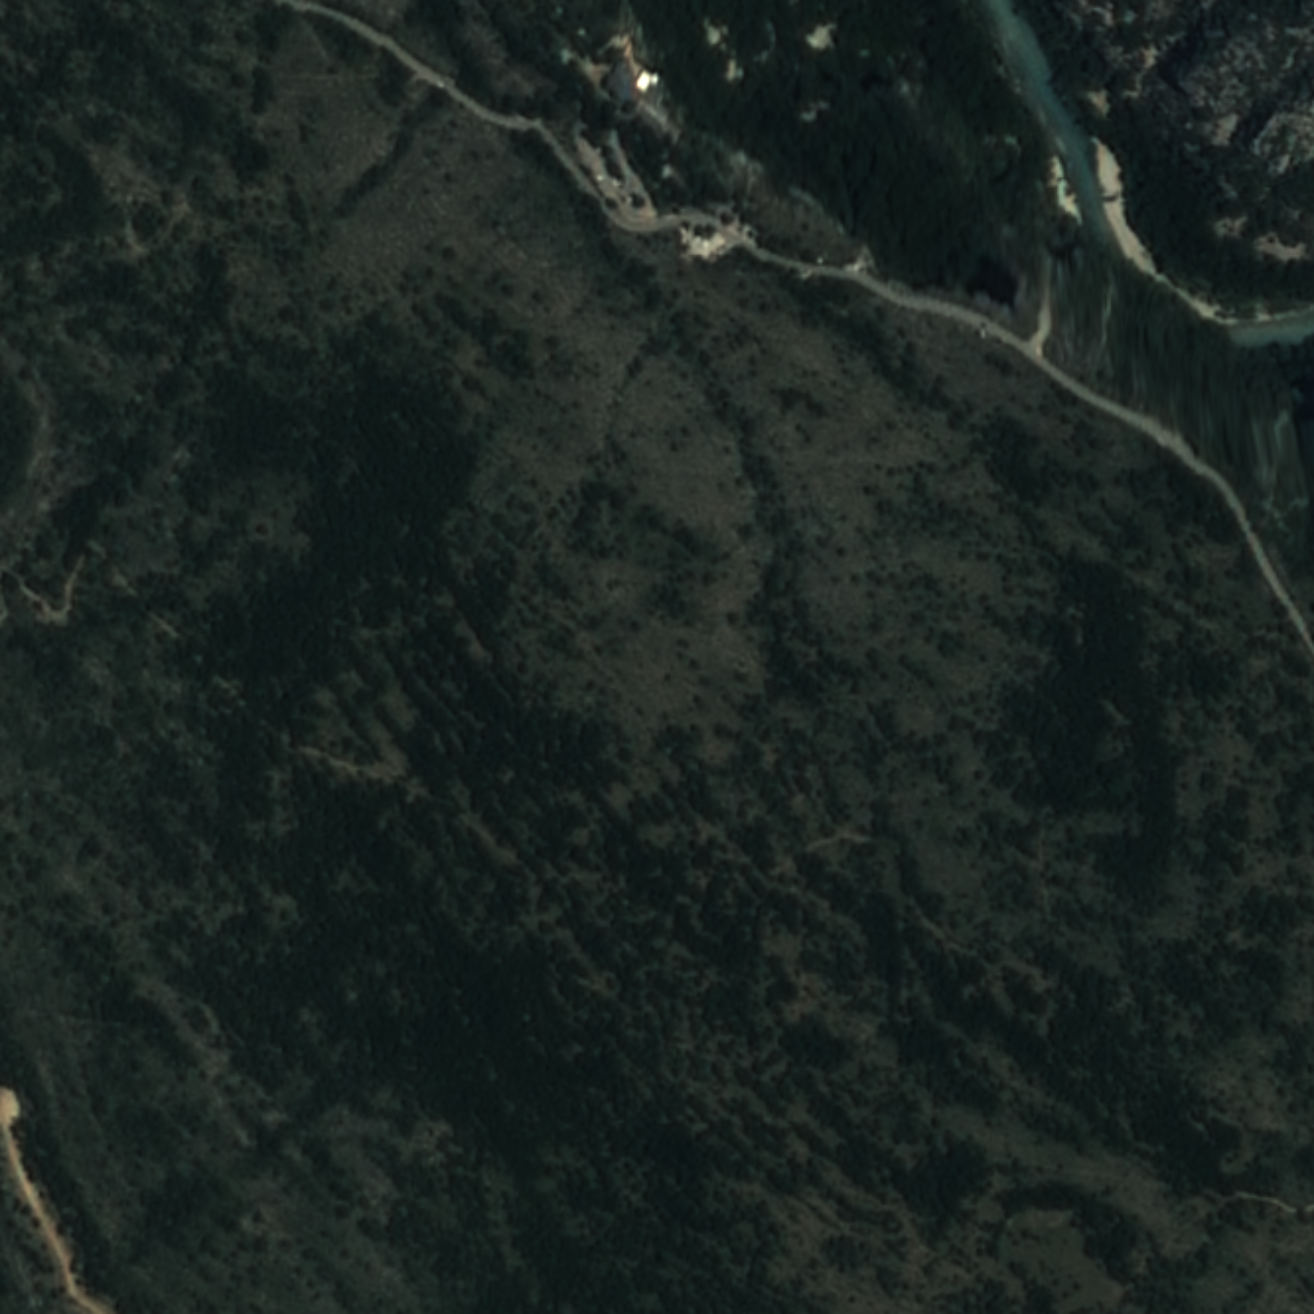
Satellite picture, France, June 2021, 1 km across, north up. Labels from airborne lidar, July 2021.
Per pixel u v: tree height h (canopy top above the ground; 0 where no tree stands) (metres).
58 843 7
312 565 9
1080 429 7
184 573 7
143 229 8
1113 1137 10
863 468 0
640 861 10
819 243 0
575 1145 8
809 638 6
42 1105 6
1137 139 21
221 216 6
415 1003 7
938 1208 8
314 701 7
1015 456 7
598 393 0
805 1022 7
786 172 10
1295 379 25
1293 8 7
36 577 6
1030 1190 10
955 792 8
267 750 8
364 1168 0
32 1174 9
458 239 0
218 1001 9
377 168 9
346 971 7
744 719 6
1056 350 0
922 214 25
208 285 6
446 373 6
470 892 6
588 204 9
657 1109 10
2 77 7
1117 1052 8
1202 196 10
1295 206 11
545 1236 7
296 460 8
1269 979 6
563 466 0
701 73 11
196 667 7
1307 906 8
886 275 9
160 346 8
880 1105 7
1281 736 8
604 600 0
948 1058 8
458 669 10
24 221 9
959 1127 0
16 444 7
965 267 25
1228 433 14
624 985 8
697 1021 6
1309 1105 7
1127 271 0
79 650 7
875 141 14
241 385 8
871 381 0
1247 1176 9
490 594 8
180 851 7
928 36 23
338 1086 8
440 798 7
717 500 0
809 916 9
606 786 8
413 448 7
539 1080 9
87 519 7
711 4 14
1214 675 10
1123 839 8
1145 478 7
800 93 11
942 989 10
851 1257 9
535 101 8
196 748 6
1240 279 13
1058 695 10
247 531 7
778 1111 9
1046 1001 7
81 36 7
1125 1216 6
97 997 6
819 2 10
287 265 7
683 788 7
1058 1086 8
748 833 8
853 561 0
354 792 8
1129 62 7
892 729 8
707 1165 9
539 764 10
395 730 8
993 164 15
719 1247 6
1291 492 10
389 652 8
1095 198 0
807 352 0
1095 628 15
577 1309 7
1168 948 7
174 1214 7
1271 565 0
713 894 11
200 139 6
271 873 8
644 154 9
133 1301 6
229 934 8
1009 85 21
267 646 11
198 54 6
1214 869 7
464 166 0
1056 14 7
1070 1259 0
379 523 9
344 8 7
